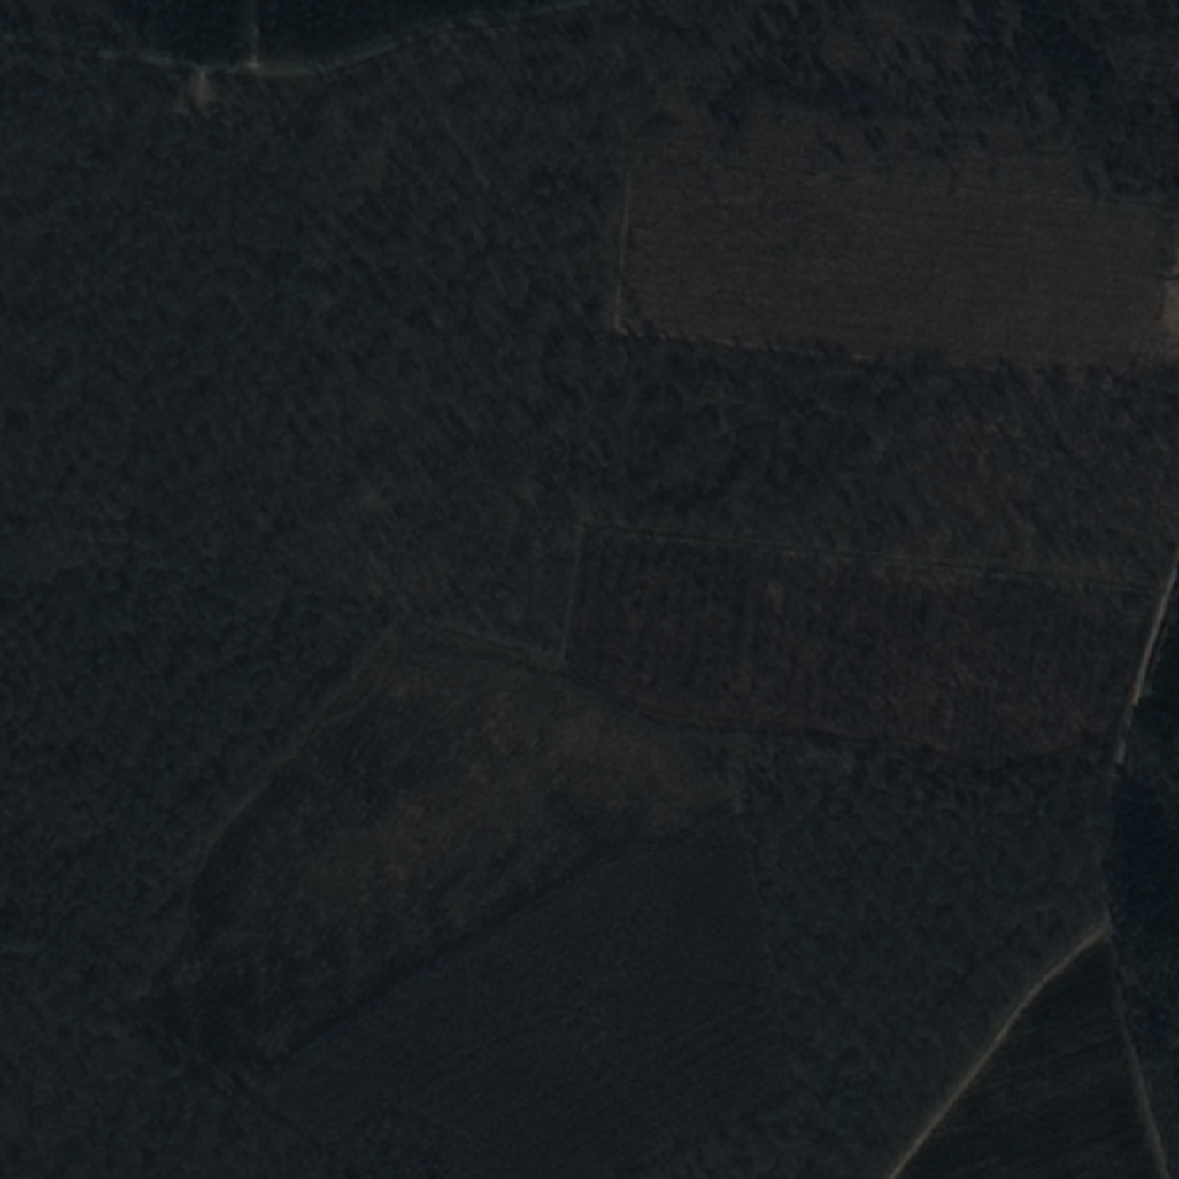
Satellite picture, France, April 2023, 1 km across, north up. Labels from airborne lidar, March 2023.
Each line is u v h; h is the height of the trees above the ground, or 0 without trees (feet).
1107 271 0
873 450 85
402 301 53
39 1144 76
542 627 77
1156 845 90
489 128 87
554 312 62
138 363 76
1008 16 106
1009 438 87
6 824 69
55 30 34
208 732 77
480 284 84
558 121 91
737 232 0
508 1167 50
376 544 91
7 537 94
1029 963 77
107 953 84
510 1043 56
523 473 84
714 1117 54
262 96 86
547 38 87
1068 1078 0
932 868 85
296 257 77
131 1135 94
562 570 72
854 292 0
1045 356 0
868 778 72
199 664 58
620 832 0
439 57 81
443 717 0
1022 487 73
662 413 69
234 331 79
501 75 88
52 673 66
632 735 0
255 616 70
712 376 51
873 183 0
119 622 83
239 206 79
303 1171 79
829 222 0
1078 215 0
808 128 0
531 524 88
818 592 44
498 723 0
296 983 0
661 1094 56
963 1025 85
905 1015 85
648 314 0
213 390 75
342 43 74
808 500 91
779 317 0
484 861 0
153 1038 91
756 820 62
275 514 70
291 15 71
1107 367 0
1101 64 88
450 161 80
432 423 60
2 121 93
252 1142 76
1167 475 81
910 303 0
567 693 0
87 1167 97
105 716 56
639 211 0
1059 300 0
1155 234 0
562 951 59
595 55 95
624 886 49
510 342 69
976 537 77
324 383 62
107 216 82
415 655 0
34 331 84
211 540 82
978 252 0
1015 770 50
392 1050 54
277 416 75
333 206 78
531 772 0
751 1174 82
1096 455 82
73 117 82
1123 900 73
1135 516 66
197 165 73
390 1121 65
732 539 80
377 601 60
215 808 83
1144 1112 0
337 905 0
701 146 0
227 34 80
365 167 94
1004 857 76
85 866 82
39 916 101
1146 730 52
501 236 56
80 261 51
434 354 77
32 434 61
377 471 78
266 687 68
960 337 0
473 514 78
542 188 52
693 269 0
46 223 68
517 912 26
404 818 0
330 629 76
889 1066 83
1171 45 26
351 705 0
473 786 0
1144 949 67
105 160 85
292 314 100
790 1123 62
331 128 92
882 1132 75
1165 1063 70
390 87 84
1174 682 41
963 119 67
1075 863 91
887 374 50
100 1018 107
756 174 0
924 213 0
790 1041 52
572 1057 50
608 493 70
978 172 0
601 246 86
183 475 82
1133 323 0
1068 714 39
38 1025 72
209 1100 75
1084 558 76
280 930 0
